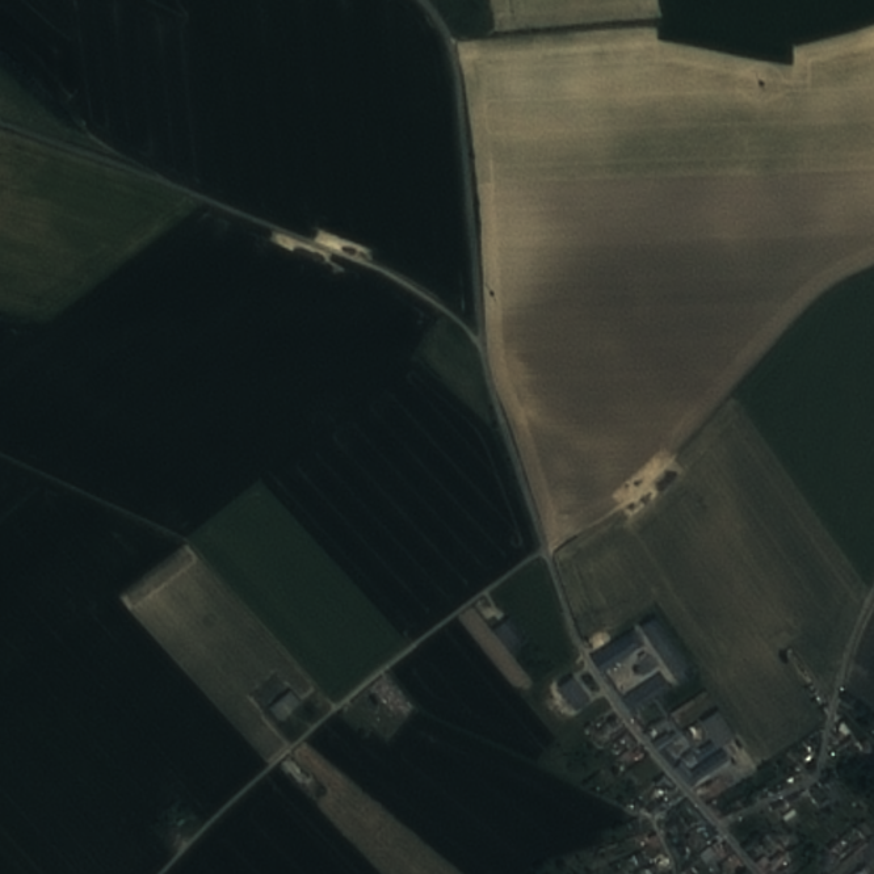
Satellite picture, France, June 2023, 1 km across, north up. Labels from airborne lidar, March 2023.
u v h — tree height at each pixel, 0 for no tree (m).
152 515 0
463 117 0
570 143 0
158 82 0
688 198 0
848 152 0
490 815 0
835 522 0
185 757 0
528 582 0
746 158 0
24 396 0
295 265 0
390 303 0
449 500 0
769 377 0
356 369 0
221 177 0
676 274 0
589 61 0
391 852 0
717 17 0
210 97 0
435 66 0
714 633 0
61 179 0
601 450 0
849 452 0
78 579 0
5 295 0
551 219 0
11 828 0
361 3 0
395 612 0
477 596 0
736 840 0
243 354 0
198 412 0
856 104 0
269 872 0
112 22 0
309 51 0
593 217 0
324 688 0
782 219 0
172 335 0
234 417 0
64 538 0
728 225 0
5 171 0
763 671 0
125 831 0
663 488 0
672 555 0
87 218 0
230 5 0
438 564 0
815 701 7
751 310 0
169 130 0
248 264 0
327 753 0
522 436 0
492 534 0
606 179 0
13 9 0
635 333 0
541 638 0
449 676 0
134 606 0
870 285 0
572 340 0
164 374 0
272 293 0
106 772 0
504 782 0
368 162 0
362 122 0
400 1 0
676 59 0
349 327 0
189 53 0
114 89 0
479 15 0
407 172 0
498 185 0
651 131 0
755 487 0
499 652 0
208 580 0
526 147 0
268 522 0
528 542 0
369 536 0
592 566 0
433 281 0
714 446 0
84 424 0
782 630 0
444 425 0
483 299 0
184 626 0
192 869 0
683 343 0
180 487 0
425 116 0
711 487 0
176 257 0
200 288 0
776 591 0
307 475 0
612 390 0
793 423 0
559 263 0
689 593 0
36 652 0
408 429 0
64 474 0
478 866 0
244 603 0
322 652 0
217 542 0
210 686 0
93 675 0
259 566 0
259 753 0
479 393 0
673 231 0
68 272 0
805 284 0
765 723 0
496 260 0
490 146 0
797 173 0
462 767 0
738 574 0
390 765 0
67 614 0
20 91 0
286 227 0
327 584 0
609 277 0
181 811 8
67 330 0
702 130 0
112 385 0
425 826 0
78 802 0
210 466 0
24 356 0
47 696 0
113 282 0
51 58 0
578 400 0
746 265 0
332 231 0
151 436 0
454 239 0
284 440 0
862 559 0
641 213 0
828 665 0
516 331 0
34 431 0
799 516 0
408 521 0
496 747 0
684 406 0
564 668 0
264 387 0
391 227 0
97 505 0
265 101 0
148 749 0
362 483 0
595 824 0
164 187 0
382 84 0
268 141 0
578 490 0
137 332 0
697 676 0
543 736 0
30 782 0
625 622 0
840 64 0
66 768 0
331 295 0
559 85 0
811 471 0
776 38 0
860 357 0
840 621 0
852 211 0
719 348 0
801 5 0
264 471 0
